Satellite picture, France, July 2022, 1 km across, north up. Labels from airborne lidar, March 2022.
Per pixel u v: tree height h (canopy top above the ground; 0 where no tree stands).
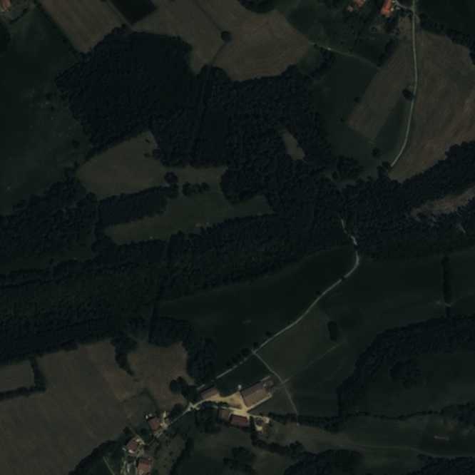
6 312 16
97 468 0
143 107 12
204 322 0
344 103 0
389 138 0
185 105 7
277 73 0
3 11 0
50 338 17
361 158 0
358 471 0
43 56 0
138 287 26
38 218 21
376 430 0
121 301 28
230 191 29
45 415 0
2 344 20
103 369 0
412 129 0
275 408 0
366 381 22
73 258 0
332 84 0
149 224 0
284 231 9
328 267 0
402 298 0
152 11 0
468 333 20
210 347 24
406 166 0
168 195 17
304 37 0
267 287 0
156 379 0
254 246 17
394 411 0
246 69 0
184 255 24
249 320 0
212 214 0
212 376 24
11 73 0
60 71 0
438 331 26
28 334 16
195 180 0
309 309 0
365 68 0
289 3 0
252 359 0
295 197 30
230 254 20
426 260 0
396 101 0
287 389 0
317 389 0
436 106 0
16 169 0
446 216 27
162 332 21
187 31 0
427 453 0
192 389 20
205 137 13
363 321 0
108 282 20
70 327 18
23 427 0
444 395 0
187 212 0
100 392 0
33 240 26
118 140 18
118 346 21
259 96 27
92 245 0
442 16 0
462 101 0
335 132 0
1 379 0
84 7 0
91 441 0
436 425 0
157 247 25
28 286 24
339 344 0
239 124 16
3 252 26
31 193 0
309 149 24
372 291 0
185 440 6
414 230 20
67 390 0
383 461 0
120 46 12
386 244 24
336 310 0
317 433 0
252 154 29
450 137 0
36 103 0
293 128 27
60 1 0
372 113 0
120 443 0
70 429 0
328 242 16
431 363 0
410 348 22
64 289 10
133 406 0
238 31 0
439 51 0
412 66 0
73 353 0
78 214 23
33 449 0
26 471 0
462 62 0
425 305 0
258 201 0
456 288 0
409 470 0
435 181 18
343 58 0
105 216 17
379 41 0
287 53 0
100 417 0
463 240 29
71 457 0
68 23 0
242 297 0
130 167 0
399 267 0
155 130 23
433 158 0
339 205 11
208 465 0
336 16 0
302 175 28
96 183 0
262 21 0
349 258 0
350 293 0
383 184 21
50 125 0
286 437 0
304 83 31
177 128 27
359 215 25
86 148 0
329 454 18
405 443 0
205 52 0
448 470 23
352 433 0
